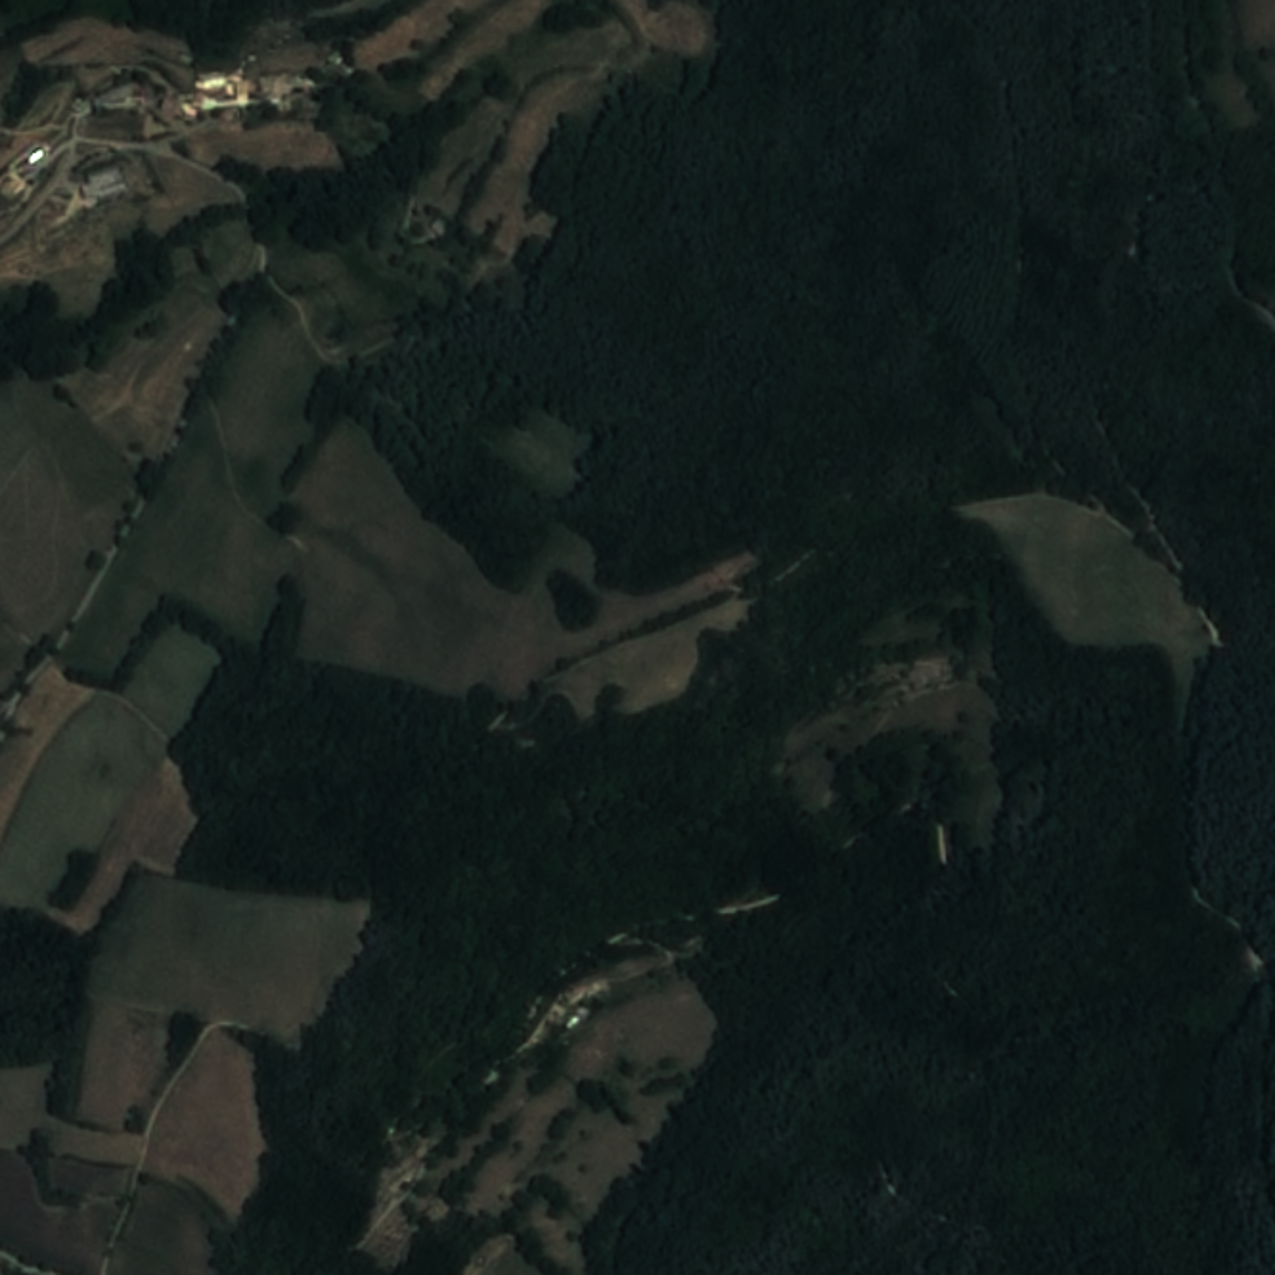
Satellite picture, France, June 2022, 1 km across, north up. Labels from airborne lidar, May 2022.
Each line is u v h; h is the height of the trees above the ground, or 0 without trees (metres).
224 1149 0
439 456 14
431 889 18
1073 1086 21
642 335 24
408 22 0
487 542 15
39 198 0
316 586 0
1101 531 0
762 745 18
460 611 0
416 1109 7
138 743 0
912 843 27
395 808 17
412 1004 22
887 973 15
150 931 0
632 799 16
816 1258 12
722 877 15
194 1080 0
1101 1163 12
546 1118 0
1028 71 19
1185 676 0
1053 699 11
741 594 6
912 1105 16
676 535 16
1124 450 12
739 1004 19
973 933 17
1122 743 21
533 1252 19
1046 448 15
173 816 0
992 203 17
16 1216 0
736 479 15
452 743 16
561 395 19
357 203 21
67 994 12
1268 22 0
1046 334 23
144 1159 0
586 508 20
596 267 20
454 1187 14
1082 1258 16
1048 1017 18
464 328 12
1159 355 21
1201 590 16
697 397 23
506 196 0
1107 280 24
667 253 24
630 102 14
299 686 16
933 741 13
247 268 0
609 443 23
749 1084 20
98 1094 0
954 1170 17
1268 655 12
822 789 0
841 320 17
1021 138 14
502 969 13
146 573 0
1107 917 9
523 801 14
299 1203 17
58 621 0
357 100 17
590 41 0
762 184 18
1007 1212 14
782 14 17
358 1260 19
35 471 0
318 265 0
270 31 0
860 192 21
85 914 0
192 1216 0
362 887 15
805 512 11
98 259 0
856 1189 12
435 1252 14
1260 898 18
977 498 11
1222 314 15
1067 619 0
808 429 17
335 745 13
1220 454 22
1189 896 7
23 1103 0
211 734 19
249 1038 13
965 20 11
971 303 31
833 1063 22
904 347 17
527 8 0
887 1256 9
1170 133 27
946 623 8
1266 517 20
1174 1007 17
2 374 18
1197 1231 18
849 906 22
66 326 14
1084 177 24
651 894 24
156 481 11
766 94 16
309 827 16
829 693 10
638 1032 0
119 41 0
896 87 18
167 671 0
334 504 0
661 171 17
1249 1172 20
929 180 16
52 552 0
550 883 15
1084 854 14
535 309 15
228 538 0
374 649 0
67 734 0
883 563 14
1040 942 10
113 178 0
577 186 20
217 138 0
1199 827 23
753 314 21
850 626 10
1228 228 29
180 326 0
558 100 0
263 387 0
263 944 0
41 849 0
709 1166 13
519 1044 14
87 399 0
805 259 20
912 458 17
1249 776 28
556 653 0
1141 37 29
